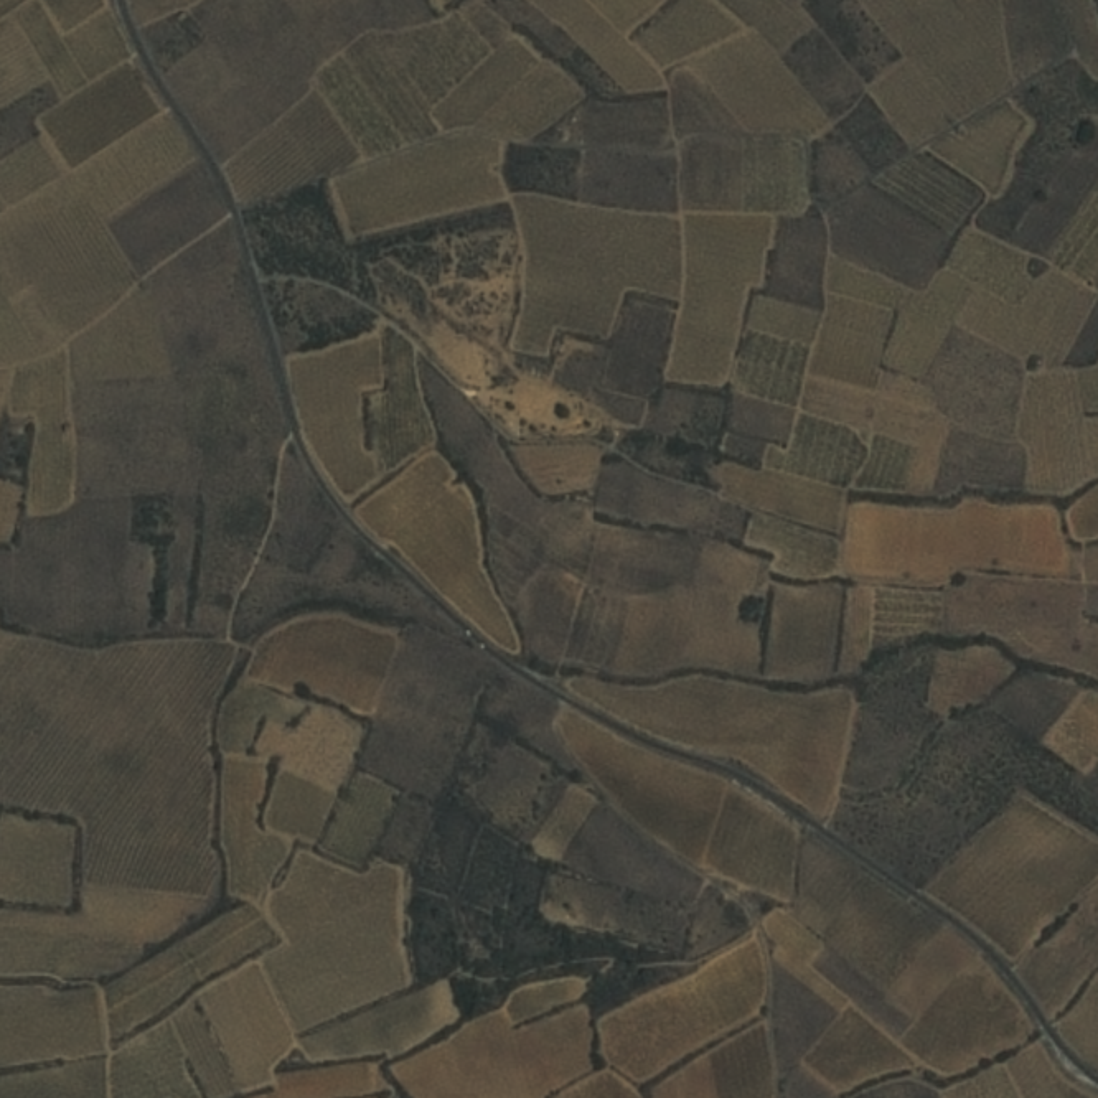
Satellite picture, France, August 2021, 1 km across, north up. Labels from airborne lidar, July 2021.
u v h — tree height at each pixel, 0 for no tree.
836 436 0
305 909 0
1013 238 0
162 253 0
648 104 0
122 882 0
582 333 0
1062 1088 0
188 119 0
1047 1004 0
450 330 0
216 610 0
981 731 0
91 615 0
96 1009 0
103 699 0
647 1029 0
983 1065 6
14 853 0
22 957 0
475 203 0
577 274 0
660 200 0
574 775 6
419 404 0
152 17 0
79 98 0
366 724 0
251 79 0
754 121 0
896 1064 0
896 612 0
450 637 0
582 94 0
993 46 0
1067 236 0
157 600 6
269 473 0
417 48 0
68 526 0
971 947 0
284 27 0
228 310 0
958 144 0
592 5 0
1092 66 0
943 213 0
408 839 0
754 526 0
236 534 0
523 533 0
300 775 0
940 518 0
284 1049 0
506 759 0
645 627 0
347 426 0
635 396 0
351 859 0
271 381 0
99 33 0
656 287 0
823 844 0
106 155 0
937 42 0
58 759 0
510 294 0
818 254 0
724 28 0
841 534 0
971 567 0
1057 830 0
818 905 0
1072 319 0
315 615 0
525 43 0
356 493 0
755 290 0
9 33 0
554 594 0
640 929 0
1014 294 0
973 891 0
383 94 0
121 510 0
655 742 0
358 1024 0
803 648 0
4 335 0
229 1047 0
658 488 0
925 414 0
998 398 0
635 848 0
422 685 0
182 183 0
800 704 0
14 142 0
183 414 0
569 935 9
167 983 0
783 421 0
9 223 0
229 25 0
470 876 0
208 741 0
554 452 0
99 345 0
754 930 0
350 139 0
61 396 0
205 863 0
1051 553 0
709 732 0
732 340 0
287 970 0
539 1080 0
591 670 0
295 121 0
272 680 0
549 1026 0
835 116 0
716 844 0
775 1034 0
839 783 0
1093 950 0
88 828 0
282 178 0
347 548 0
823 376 0
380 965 0
